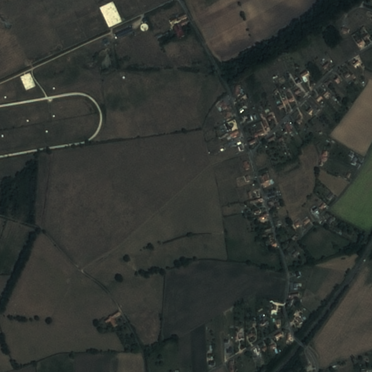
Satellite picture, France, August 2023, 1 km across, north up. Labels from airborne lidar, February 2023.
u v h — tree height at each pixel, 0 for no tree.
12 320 12
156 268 14
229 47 0
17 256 0
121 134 0
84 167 0
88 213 0
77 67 0
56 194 0
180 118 0
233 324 0
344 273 0
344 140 0
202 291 0
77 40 0
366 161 0
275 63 0
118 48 0
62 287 0
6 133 0
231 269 0
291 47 21
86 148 0
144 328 0
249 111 0
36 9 0
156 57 0
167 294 0
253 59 19
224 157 0
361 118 0
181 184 0
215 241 0
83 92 0
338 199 0
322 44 0
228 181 0
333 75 0
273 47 20
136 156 0
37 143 0
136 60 0
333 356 0
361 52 0
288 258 0
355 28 0
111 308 0
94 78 0
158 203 0
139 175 0
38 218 0
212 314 0
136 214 0
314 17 19
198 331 0
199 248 0
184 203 0
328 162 0
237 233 0
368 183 0
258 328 9
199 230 0
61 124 0
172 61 0
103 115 0
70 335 0
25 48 0
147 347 6
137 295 0
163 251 0
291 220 14
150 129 0
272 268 12
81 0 0
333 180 0
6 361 0
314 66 9
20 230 0
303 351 0
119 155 0
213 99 0
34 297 0
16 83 0
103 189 0
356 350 0
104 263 0
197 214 0
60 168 0
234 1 0
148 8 0
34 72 0
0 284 0
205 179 0
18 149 0
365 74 0
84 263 0
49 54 0
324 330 0
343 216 0
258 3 0
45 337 0
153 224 0
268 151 6
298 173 0
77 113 0
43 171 0
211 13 0
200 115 0
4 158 0
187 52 0
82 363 0
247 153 0
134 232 0
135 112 0
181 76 0
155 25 0
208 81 0
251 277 0
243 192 0
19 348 0
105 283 0
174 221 0
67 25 0
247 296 0
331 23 17
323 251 0
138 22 0
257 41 0
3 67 0
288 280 0
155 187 0
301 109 0
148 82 0
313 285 0
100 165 0
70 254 0
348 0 22
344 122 0
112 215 0
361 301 0
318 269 0
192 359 0
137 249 0
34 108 0
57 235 0
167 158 0
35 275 0
